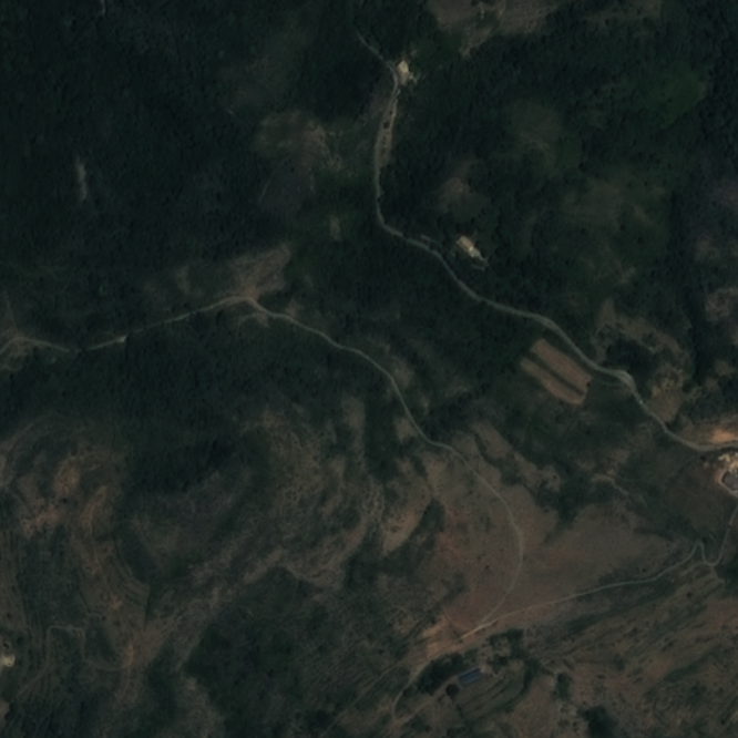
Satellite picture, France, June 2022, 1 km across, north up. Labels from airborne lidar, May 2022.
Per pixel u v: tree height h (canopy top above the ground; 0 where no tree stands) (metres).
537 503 0
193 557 0
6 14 11
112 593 0
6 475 0
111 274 9
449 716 0
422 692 7
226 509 0
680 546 0
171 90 15
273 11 8
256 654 8
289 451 0
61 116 12
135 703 0
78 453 0
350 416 0
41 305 10
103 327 8
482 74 19
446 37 12
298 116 0
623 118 9
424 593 0
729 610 0
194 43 7
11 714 11
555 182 6
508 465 0
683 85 0
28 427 0
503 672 0
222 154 6
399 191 15
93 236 11
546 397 0
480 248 9
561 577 0
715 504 0
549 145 0
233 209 8
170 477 10
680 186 8
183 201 7
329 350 7
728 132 13
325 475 0
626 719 0
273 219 6
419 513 0
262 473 0
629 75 6
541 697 0
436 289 11
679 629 0
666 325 6
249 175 7
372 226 10
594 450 0
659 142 10
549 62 13
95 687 0
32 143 10
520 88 12
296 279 6
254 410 0
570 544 0
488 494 0
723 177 9
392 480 0
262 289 0
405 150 14
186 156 18
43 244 11
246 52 8
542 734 0
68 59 17
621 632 0
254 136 7
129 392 6
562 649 0
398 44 12
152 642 0
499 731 0
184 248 7
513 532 0
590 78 15
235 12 8
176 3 6
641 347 6
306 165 0
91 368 6
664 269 8
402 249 9
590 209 0
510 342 9
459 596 0
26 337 0
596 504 0
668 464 0
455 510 0
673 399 0
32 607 6
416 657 0
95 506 0
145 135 11
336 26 15
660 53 11
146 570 0
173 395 7
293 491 0
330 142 0
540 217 6
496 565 0
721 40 28
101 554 0
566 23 16
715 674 0
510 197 7
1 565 0
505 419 0
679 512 0
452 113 13
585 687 0
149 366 7
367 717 0
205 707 0
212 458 9
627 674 0
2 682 0
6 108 16
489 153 8
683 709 0
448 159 10
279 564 0
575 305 0
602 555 0
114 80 15
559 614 0
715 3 9
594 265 0
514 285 8
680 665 0
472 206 0
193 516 0
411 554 0
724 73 13
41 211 13
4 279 7
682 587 0
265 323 0
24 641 12
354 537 0
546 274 13
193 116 16
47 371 7
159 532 0
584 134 9
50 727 8
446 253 9
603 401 0
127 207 8
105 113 6
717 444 0
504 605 0
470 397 7
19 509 0
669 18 6
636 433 0
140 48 16
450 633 0
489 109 12
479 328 7
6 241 7
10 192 17
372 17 22
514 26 0
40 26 19
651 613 0
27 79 12
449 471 0
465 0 0
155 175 10
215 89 12
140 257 6
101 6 13
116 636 0
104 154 9
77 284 6
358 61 15
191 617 0
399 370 0
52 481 0
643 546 0
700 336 16
